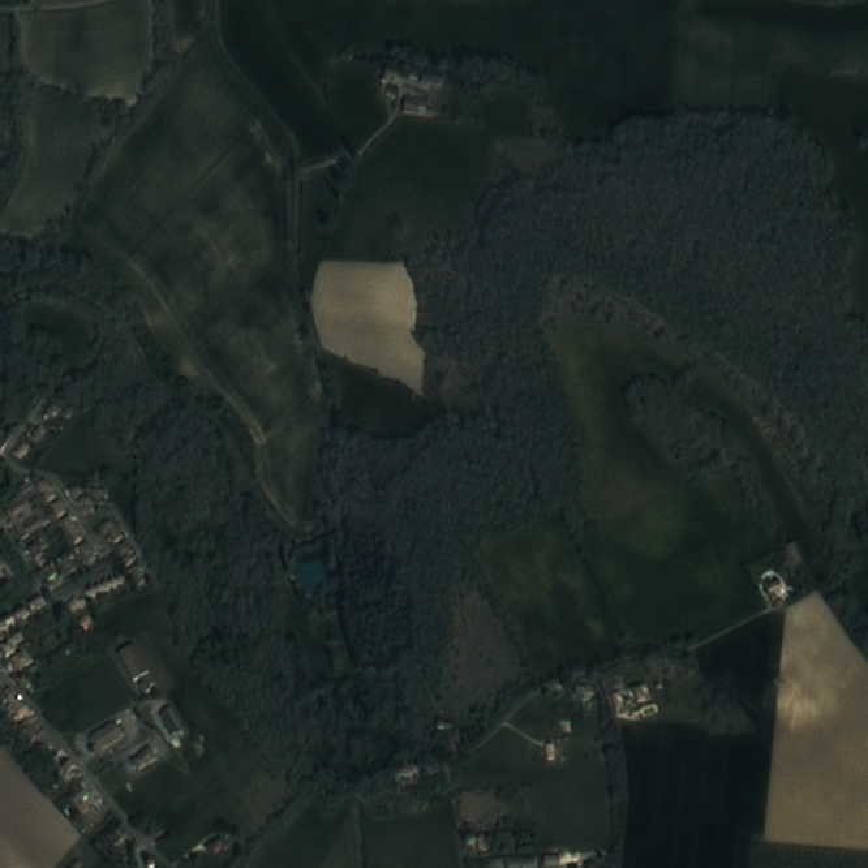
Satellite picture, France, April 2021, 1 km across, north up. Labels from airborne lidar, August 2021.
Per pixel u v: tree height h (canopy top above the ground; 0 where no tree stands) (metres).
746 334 18
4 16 0
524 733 0
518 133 0
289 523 0
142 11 0
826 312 23
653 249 13
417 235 0
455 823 0
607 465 0
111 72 0
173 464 23
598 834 0
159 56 7
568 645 0
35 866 0
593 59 0
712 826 0
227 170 0
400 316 0
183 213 0
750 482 13
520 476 26
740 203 22
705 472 15
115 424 19
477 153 0
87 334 0
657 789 0
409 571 20
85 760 0
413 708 18
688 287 16
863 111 0
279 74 0
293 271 0
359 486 20
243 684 22
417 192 0
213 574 13
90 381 20
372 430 0
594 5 0
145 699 6
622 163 19
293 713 12
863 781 0
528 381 14
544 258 14
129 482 13
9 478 10
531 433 21
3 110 8
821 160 25
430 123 0
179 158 0
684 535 0
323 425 0
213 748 0
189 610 21
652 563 0
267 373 0
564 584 0
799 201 23
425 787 6
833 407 17
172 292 0
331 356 0
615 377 0
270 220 0
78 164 0
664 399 12
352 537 17
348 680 8
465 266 9
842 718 0
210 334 0
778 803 0
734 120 14
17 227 0
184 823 0
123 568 10
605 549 0
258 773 0
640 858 0
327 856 0
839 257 22
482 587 10
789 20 0
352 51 9
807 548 0
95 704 0
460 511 19
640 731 0
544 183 7
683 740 0
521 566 0
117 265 0
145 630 0
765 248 25
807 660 0
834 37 0
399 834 0
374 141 0
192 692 0
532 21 0
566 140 15
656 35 0
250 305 0
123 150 0
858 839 0
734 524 0
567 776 0
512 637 11
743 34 0
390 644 10
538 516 12
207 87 0
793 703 0
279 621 16
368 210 0
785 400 15
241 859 16
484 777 0
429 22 0
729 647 0
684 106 0
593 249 13
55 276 13
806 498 0
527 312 12
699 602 0
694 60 0
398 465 15
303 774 15
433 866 0
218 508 17
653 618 0
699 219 19
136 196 0
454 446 17
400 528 18
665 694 8
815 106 0
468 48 0
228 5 0
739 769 0
